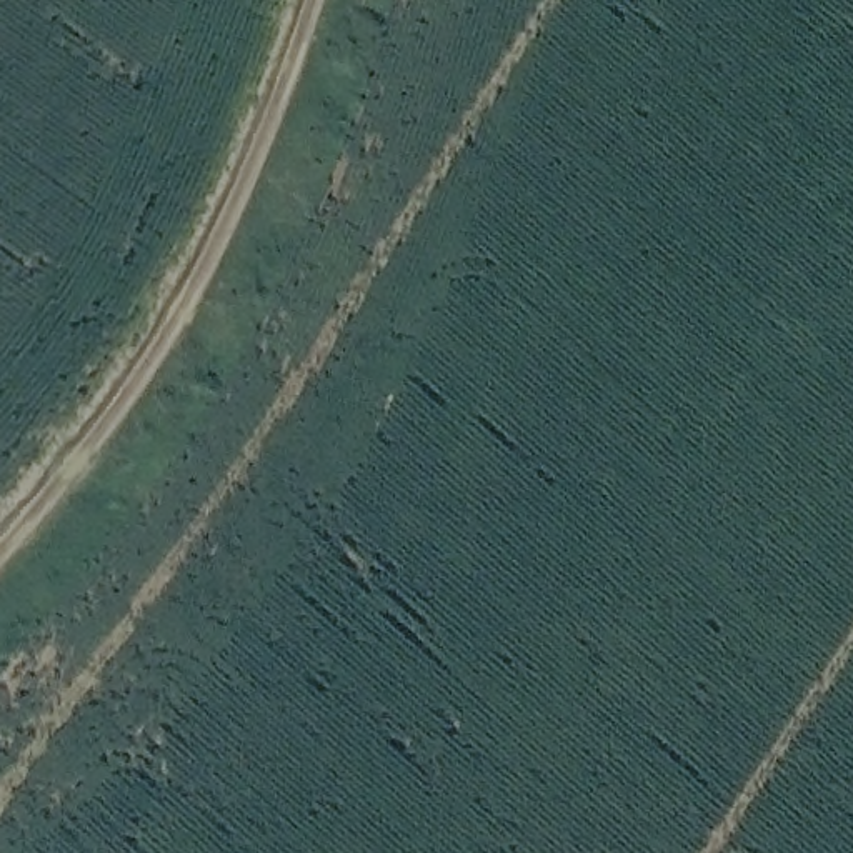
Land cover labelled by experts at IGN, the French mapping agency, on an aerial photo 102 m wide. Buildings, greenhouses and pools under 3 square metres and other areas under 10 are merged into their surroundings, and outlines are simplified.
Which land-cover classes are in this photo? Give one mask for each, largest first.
<instances>
[{"label":"agricultural land","instance_id":"1","mask_svg":"<svg viewBox=\"0 0 853 853\"><path fill-rule=\"evenodd\" d=\"M283 0H0V496H7L17 486L20 473L43 453L47 430L67 423L77 413V407L100 387L107 367L113 363V353L120 347L140 343V327L147 320L143 290H153L163 280L167 267L173 263V247L190 237L207 193L220 177L230 140L237 133V120L247 110L240 103V93L243 87H253L260 80ZM0 853H853V0H327L300 83L293 90L273 150L263 163L257 190L190 327L183 330L180 343L170 350V357L163 360L137 407L127 413L113 440L103 446L83 483L57 506V513L0 573Z\"/></svg>","mask_w":853,"mask_h":853},{"label":"pervious surface","instance_id":"2","mask_svg":"<svg viewBox=\"0 0 853 853\"><path fill-rule=\"evenodd\" d=\"M327 0H283L260 80L253 87H243L240 93V103L247 110L237 120V133L230 140L220 177L207 193L190 237L173 247V263L167 267L163 280L153 290H143L147 320L140 327V343L120 347L113 353V363L107 367L100 387L77 407V413L67 423L47 430L43 453L20 473L17 486L7 496H0V573L57 513V506L83 483L103 446L113 440L127 413L137 407L163 360L170 357V350L180 343L183 330L190 327L257 190L263 163L273 150L293 90L300 83Z\"/></svg>","mask_w":853,"mask_h":853}]
</instances>
